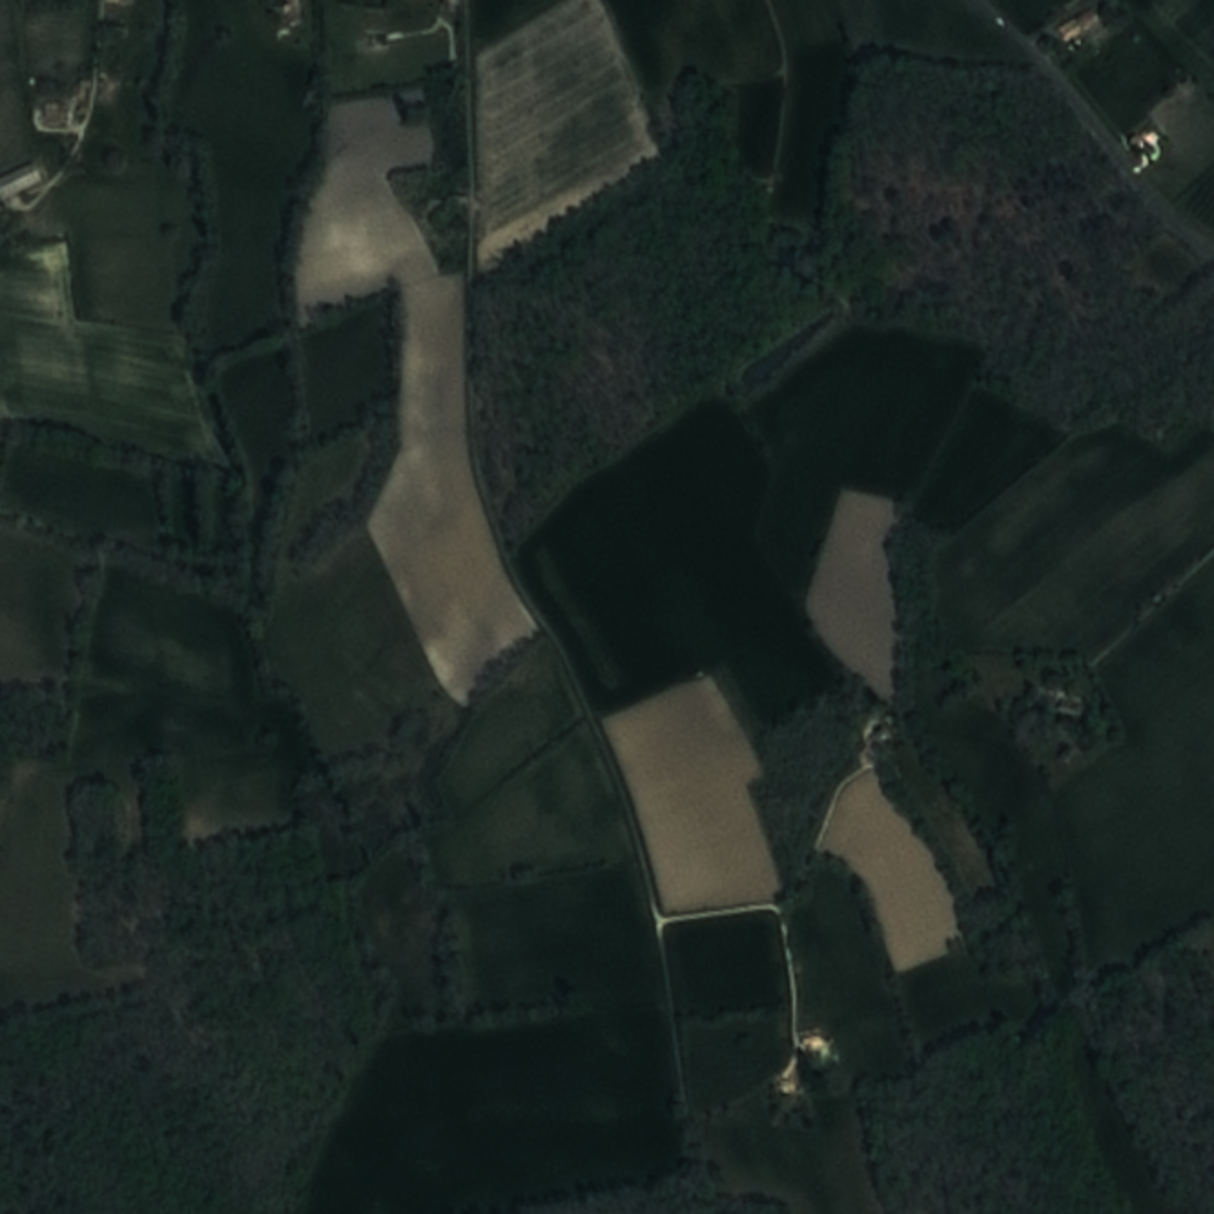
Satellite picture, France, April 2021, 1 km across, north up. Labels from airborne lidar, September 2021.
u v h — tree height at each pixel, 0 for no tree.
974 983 0
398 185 9
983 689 14
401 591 0
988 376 10
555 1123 0
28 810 0
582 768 0
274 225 0
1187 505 0
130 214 0
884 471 0
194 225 0
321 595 0
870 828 0
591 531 0
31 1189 16
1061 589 0
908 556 14
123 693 0
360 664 0
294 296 12
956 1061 25
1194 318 16
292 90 0
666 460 0
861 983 0
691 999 0
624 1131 0
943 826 0
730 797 0
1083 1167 25
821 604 0
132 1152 25
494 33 0
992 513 0
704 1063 0
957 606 0
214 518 0
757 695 0
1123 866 0
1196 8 0
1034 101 20
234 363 13
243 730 0
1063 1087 23
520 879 13
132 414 0
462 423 0
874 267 21
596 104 0
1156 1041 20
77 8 15
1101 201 18
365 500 11
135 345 0
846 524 0
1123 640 0
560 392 15
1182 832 0
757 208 23
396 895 0
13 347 0
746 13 0
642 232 23
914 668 17
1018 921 20
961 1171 21
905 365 0
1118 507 0
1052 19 7
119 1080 18
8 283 0
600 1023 0
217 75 0
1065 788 0
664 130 14
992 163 17
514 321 19
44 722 20
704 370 17
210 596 24
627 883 0
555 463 17
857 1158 0
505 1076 0
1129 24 12
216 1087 17
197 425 0
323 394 0
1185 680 0
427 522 0
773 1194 0
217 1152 20
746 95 0
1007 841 16
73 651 8
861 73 17
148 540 0
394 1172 0
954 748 0
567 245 12
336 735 0
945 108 17
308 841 22
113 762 0
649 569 0
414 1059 0
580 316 17
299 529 0
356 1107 0
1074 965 10
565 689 0
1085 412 14
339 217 0
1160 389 14
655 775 0
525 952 0
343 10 0
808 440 0
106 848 17
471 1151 0
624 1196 19
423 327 0
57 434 20
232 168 0
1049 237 12
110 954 15
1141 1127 22
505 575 0
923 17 0
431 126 9
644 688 0
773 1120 7
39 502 0
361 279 0
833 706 7
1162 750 0
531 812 0
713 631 0
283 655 0
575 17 0
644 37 0
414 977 0
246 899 16
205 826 0
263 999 24
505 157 0
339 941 26
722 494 0
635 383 12
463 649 0
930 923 0
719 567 0
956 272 8
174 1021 18
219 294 0
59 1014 12
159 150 23
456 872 0
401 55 0
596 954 0
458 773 0
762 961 0
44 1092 22
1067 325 19
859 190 12
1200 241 0
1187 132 0
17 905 0
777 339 19
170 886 16
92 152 0
